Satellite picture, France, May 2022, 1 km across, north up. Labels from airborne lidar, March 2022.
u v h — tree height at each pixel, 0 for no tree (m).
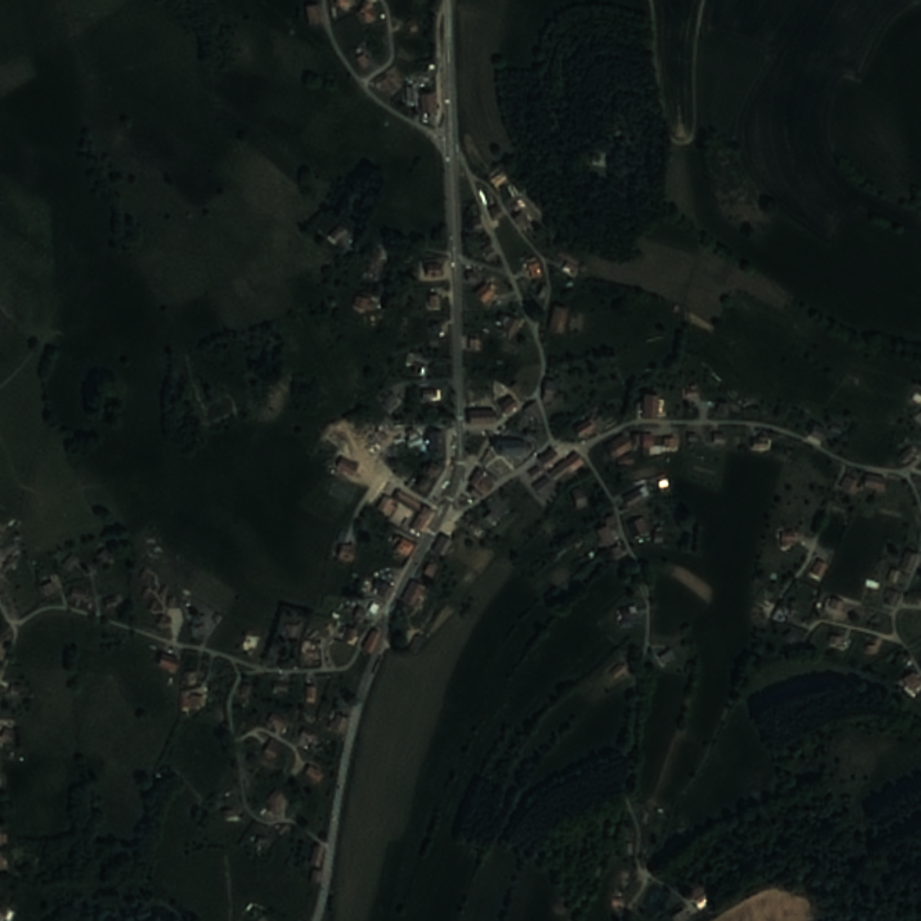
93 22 0
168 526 0
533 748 0
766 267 0
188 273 0
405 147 0
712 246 12
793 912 0
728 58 0
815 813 7
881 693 14
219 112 0
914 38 0
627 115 10
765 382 0
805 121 0
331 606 0
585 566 7
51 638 0
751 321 0
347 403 0
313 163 0
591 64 16
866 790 0
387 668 0
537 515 0
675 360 12
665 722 0
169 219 6
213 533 0
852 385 0
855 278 0
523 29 0
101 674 0
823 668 0
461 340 0
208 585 0
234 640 0
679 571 0
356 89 0
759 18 0
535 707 0
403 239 18
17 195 0
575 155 17
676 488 0
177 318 0
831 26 0
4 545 0
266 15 0
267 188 0
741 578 0
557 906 0
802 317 0
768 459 0
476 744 0
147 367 0
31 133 0
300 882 0
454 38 0
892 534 0
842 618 0
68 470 0
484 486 0
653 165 16
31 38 0
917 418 0
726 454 0
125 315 0
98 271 0
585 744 0
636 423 0
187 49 0
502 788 12
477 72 0
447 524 0
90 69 0
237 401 0
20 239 0
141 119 0
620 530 0
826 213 0
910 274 0
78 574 0
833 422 10
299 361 0
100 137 0
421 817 0
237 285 0
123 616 16
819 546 0
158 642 0
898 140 0
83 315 0
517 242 0
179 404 17
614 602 0
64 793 0
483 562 0
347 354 0
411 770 0
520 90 7
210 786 0
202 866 0
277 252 0
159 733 0
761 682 0
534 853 12
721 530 0
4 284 0
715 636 0
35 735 0
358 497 0
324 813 0
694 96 0
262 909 0
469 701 0
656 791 0
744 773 0
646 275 0
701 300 0
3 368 0
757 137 0
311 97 0
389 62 0
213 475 0
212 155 0
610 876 0
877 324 0
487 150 0
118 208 12
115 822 0
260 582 0
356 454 0
